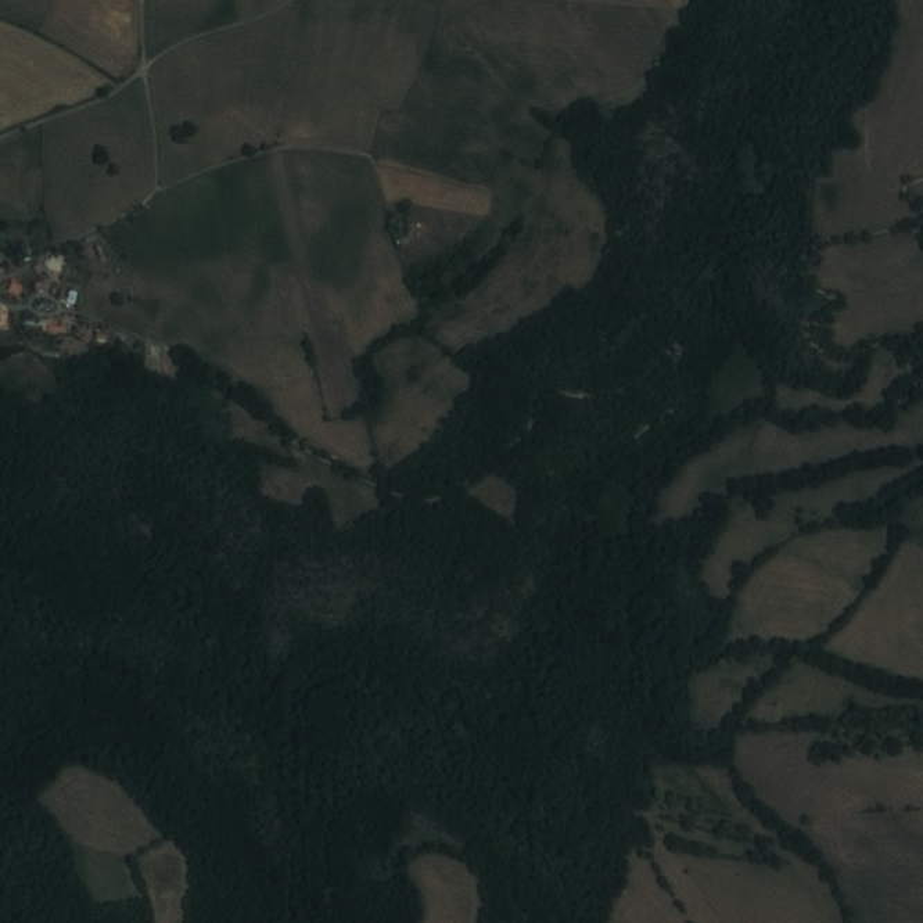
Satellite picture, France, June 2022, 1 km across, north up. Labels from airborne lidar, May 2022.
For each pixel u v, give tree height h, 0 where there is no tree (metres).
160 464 10
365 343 0
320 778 22
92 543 12
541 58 0
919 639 0
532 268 0
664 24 0
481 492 0
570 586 28
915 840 0
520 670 25
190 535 7
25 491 16
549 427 13
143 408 12
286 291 0
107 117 0
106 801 0
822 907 0
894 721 14
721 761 12
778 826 15
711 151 16
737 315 22
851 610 9
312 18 0
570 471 6
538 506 17
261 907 22
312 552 12
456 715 17
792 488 22
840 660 9
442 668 11
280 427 10
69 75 0
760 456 0
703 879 0
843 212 0
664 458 6
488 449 13
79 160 0
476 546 12
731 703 0
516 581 10
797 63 16
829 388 17
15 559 19
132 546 11
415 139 0
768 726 8
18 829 13
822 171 13
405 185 0
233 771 17
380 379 10
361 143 0
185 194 0
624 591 17
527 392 14
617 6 0
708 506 22
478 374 14
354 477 13
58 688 10
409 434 0
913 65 0
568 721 17
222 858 21
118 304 13
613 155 14
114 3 0
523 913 14
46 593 17
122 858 0
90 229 0
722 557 0
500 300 0
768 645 10
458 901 0
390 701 25
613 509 0
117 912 13
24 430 21
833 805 0
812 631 0
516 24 0
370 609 14
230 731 16
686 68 9
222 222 0
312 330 0
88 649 19
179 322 0
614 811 14
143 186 0
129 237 0
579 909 15
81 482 10
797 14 11
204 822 22
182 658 13
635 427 14
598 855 14
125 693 11
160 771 16
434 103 0
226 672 24
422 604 10
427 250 0
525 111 0
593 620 27
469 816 9
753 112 13
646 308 14
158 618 18
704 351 18
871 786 0
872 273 0
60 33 0
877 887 0
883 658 0
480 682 13
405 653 18
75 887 15
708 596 7
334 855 9
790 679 0
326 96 0
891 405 12
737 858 9
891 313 0
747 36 13
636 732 19
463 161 0
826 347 8
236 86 0
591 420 13
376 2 0
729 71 13
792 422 14
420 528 15
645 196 11
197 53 0
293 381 0
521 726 13
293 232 0
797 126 6
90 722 9
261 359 0
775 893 0
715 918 0
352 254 0
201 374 11
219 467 16
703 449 18
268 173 0
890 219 0
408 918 9
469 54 0
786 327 12
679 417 18
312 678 14
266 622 7
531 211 0
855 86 15
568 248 0
